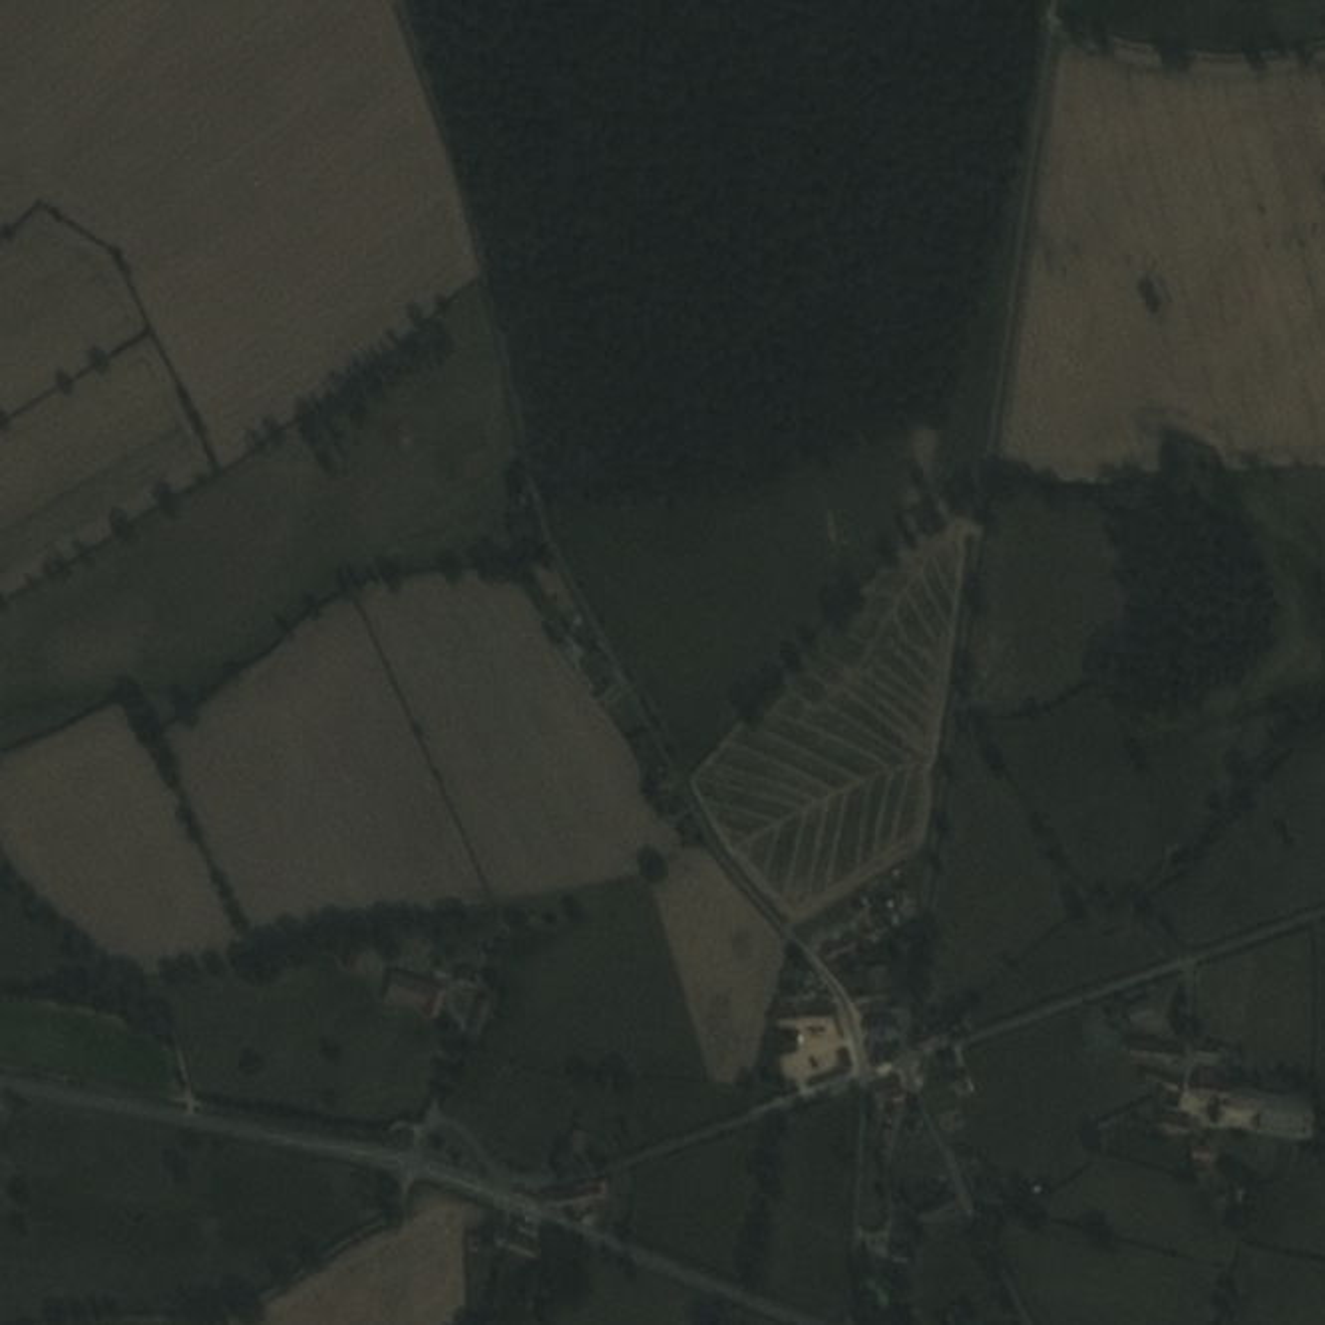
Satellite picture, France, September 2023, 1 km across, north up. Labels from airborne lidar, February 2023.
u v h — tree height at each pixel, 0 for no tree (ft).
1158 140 0
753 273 60
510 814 0
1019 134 52
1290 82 0
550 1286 53
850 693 0
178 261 0
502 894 0
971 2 67
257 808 0
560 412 40
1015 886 0
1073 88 0
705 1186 0
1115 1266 0
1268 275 0
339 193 0
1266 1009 0
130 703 54
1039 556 0
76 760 0
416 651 0
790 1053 0
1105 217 0
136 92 0
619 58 78
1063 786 0
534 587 83
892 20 68
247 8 0
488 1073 0
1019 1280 0
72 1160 0
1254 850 0
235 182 0
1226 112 0
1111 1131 0
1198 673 76
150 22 0
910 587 0
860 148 56
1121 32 0
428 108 0
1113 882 0
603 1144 0
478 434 0
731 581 0
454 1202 0
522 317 63
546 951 0
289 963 36
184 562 0
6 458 0
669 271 64
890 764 0
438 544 0
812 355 65
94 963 44
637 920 0
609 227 59
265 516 0
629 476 64
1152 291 44
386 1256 0
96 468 0
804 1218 0
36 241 0
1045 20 0
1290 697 0
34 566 0
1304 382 0
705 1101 0
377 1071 0
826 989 0
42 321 0
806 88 67
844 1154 53
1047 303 0
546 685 0
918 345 71
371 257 0
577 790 0
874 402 75
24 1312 0
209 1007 0
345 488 0
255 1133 0
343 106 0
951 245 75
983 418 0
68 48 0
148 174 0
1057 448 0
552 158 77
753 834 0
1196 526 59
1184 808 0
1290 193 0
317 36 0
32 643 0
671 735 0
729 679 0
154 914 0
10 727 0
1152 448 0
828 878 0
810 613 0
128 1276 0
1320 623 0
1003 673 0
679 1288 0
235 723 0
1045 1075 0
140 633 0
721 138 69
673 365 65
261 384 0
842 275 68
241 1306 66
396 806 0
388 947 60
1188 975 0
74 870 0
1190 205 0
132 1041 0
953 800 0
